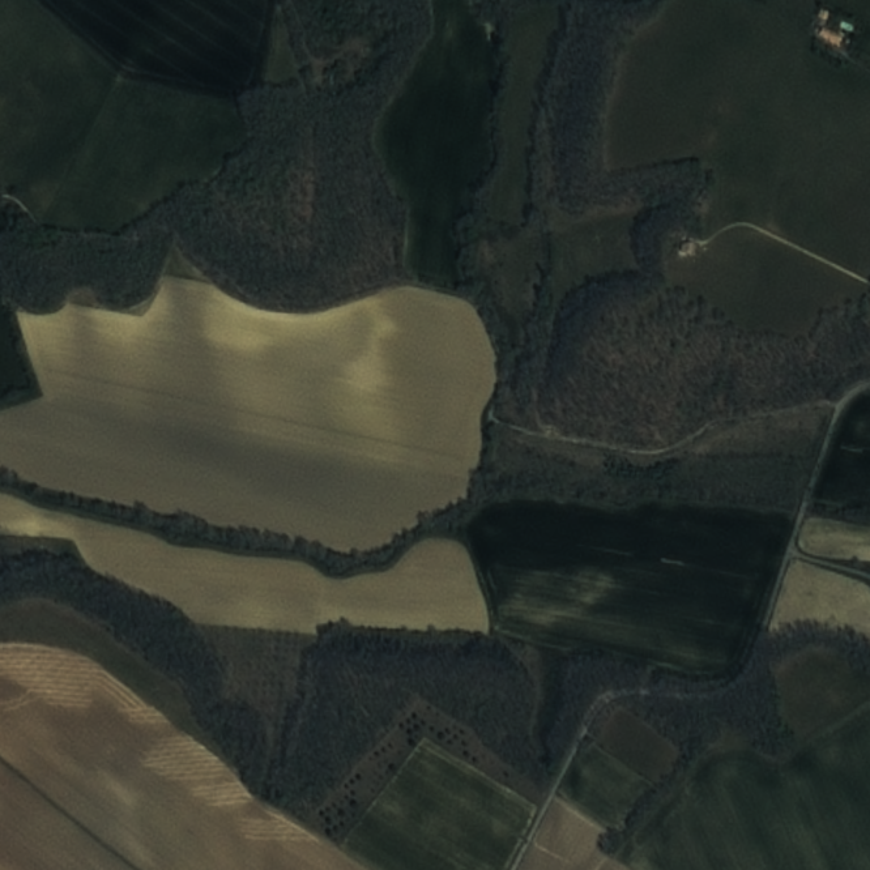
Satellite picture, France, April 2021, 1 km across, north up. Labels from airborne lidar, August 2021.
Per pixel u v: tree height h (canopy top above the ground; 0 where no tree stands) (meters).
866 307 8
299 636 12
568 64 18
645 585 0
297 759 22
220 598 0
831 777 0
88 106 0
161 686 0
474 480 16
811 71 0
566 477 11
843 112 0
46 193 0
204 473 0
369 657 16
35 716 0
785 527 0
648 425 12
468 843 0
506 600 0
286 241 9
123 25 0
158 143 0
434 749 0
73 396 0
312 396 0
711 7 0
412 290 0
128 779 0
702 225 14
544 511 0
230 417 0
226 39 0
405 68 21
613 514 0
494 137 8
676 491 14
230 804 0
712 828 0
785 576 0
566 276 0
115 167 0
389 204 19
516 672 13
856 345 18
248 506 0
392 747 7
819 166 0
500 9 21
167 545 0
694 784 0
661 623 0
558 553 0
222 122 0
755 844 0
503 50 29
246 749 15
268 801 12
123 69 0
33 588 20
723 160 0
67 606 16
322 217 15
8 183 0
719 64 0
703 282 0
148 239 14
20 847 0
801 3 0
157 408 0
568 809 0
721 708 17
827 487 0
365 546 0
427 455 0
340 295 15
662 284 15
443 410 0
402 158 0
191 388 0
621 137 0
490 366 0
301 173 9
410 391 0
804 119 0
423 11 20
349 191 14
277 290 20
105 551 0
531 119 0
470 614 0
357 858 0
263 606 0
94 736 0
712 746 13
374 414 0
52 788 0
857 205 0
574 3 18
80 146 0
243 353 0
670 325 11
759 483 13
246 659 8
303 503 0
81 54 0
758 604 0
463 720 12
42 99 0
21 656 0
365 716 12
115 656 0
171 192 0
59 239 9
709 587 0
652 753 0
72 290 22
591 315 17
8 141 0
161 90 0
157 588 0
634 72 0
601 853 11
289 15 14
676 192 23
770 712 19
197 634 25
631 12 23
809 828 0
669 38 0
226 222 18
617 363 10
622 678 19
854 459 0
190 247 26
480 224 18
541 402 11
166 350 0
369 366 0
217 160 0
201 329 0
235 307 0
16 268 19
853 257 0
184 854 0
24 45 0
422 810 0
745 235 0
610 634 0
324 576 0
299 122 17
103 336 0
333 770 15
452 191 0
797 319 0
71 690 0
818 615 0
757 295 0
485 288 14
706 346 8
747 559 0
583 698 15
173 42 0
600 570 0
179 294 0
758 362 11
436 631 13
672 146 0
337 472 0
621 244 0
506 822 0
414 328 0
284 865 0
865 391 0
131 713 0
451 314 0
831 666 0
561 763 15
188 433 0
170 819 0
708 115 0
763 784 0
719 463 13
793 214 0
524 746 20
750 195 0
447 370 0
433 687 13
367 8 11
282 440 0
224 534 11
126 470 0
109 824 0
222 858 0
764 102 0
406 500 0
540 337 18
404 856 0
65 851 0
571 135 17
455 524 14
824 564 0
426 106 0
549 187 7
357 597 0
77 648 0
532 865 0
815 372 15
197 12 0
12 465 0
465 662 16
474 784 0
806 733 0
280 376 0
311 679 21
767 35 0
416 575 0
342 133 17
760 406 10
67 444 0
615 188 18
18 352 14
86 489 0
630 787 0
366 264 14
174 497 0
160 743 0
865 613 0
